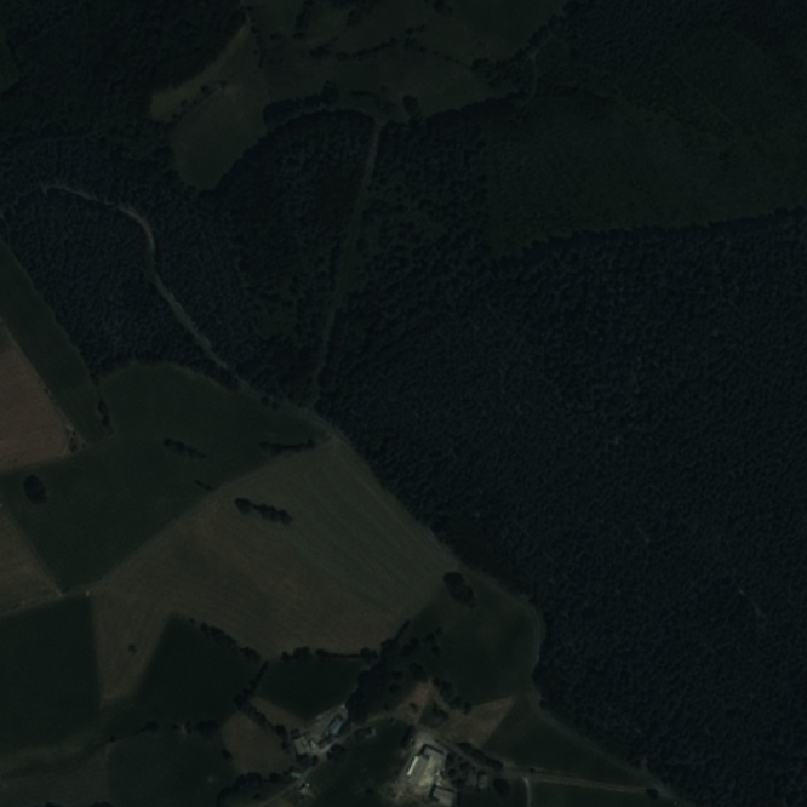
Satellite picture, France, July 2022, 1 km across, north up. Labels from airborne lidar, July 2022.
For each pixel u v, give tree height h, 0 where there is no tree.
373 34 0
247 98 0
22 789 0
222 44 20
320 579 0
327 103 21
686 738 22
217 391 0
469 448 21
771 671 18
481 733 0
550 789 0
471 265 18
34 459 0
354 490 0
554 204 7
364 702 21
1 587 0
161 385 0
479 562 15
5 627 0
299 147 22
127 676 0
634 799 0
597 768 0
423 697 0
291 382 18
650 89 6
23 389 0
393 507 0
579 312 26
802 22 12
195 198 14
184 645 0
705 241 29
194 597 0
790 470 24
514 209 7
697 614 24
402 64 0
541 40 16
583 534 26
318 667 0
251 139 0
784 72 6
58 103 17
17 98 18
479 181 9
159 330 21
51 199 17
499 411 16
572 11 20
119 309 19
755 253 26
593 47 21
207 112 0
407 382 15
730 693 18
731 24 7
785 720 23
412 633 0
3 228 20
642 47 22
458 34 0
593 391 23
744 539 21
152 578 0
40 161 16
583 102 10
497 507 21
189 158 0
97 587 0
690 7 20
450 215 12
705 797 26
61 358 0
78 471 0
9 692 0
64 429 0
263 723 16
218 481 0
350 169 15
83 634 0
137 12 21
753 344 19
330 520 0
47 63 19
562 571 20
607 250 29
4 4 20
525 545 15
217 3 20
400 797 0
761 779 21
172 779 0
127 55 22
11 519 0
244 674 0
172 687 0
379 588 0
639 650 21
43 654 0
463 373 15
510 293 21
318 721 0
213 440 0
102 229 17
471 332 19
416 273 17
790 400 24
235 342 22
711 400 18
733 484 18
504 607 0
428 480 20
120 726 0
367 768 0
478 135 15
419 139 16
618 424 20
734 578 14
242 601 0
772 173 0
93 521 0
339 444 0
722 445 26
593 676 22
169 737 0
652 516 19
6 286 0
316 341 13
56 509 0
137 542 0
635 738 10
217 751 0
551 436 14
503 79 11
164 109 0
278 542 0
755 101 7
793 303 23
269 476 0
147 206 22
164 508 0
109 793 0
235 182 20
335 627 0
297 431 0
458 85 0
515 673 0
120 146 8
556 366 22
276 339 11
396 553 0
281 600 0
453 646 0
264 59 7
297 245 19
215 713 0
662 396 18
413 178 22
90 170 26
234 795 11
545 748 0
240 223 17
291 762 0
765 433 21
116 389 0
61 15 24
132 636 0
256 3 0
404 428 19
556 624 17
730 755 18
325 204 18
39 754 0
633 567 19
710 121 7
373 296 17
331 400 20
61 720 0
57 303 17
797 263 27
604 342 28
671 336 18
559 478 15
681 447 22
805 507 21
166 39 21
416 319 16
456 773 10
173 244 23
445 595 0
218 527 0
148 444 0
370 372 19
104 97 7
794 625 22
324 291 15
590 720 14
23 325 0
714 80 7
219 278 22
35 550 0
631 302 26
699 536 18
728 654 17
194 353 24
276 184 18
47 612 0
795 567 16
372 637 0
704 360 18
